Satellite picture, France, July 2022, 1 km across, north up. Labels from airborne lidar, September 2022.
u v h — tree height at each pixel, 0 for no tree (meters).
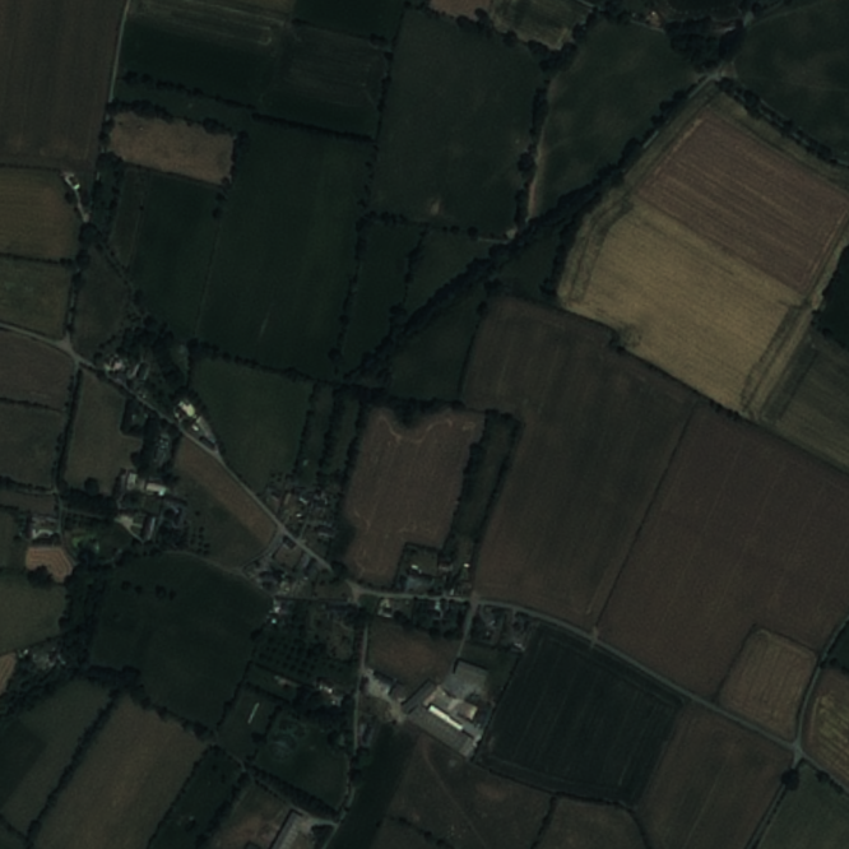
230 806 12
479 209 0
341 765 0
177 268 0
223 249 0
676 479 0
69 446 7
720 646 0
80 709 0
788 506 0
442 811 0
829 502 0
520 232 6
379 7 0
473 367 0
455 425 0
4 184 0
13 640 0
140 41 0
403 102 0
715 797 0
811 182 0
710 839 0
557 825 0
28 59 0
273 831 0
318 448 0
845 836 0
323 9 0
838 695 0
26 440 0
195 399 12
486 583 0
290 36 0
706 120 0
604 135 0
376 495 0
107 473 0
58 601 0
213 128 14
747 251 0
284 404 0
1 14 0
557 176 0
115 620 7
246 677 7
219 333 0
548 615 0
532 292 0
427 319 16
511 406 0
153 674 0
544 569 0
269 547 0
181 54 0
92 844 0
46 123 0
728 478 0
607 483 0
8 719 8
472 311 0
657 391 0
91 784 0
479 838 0
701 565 0
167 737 0
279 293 0
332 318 0
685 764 0
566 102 0
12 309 0
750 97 16
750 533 0
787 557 0
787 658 0
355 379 8
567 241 16
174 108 0
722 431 0
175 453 8
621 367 0
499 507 0
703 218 0
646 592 0
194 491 0
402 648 0
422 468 0
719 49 7
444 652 0
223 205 12
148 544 10
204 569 0
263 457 0
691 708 0
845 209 0
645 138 9
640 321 0
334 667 6
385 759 0
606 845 0
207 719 0
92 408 0
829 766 0
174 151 0
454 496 0
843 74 0
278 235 0
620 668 0
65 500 12
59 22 0
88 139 0
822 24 0
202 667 0
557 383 0
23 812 0
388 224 16
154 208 0
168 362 16
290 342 0
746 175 0
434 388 0
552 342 0
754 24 0
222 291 0
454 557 6
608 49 0
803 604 0
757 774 0
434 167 0
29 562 0
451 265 0
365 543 0
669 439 0
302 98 0
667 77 0
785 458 0
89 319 0
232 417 0
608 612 0
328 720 22
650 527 0
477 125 0
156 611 0
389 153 0
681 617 0
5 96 0
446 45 0
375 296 0
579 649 0
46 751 0
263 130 0
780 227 0
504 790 0
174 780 0
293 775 0
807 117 0
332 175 0
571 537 0
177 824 0
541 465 0
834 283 9
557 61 20
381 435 0
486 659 0
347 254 0
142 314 8
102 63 0
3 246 0
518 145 0
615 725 0
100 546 0
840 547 0
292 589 0
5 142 0
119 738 0
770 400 0
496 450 0
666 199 0
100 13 0
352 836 0
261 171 0
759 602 0
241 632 0
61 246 0
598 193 14
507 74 0
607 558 0
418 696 0
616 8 16
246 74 0
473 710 0
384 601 0
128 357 8
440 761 0
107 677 15
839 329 0
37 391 0
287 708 7
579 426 0
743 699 0
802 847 0
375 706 0
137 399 9
